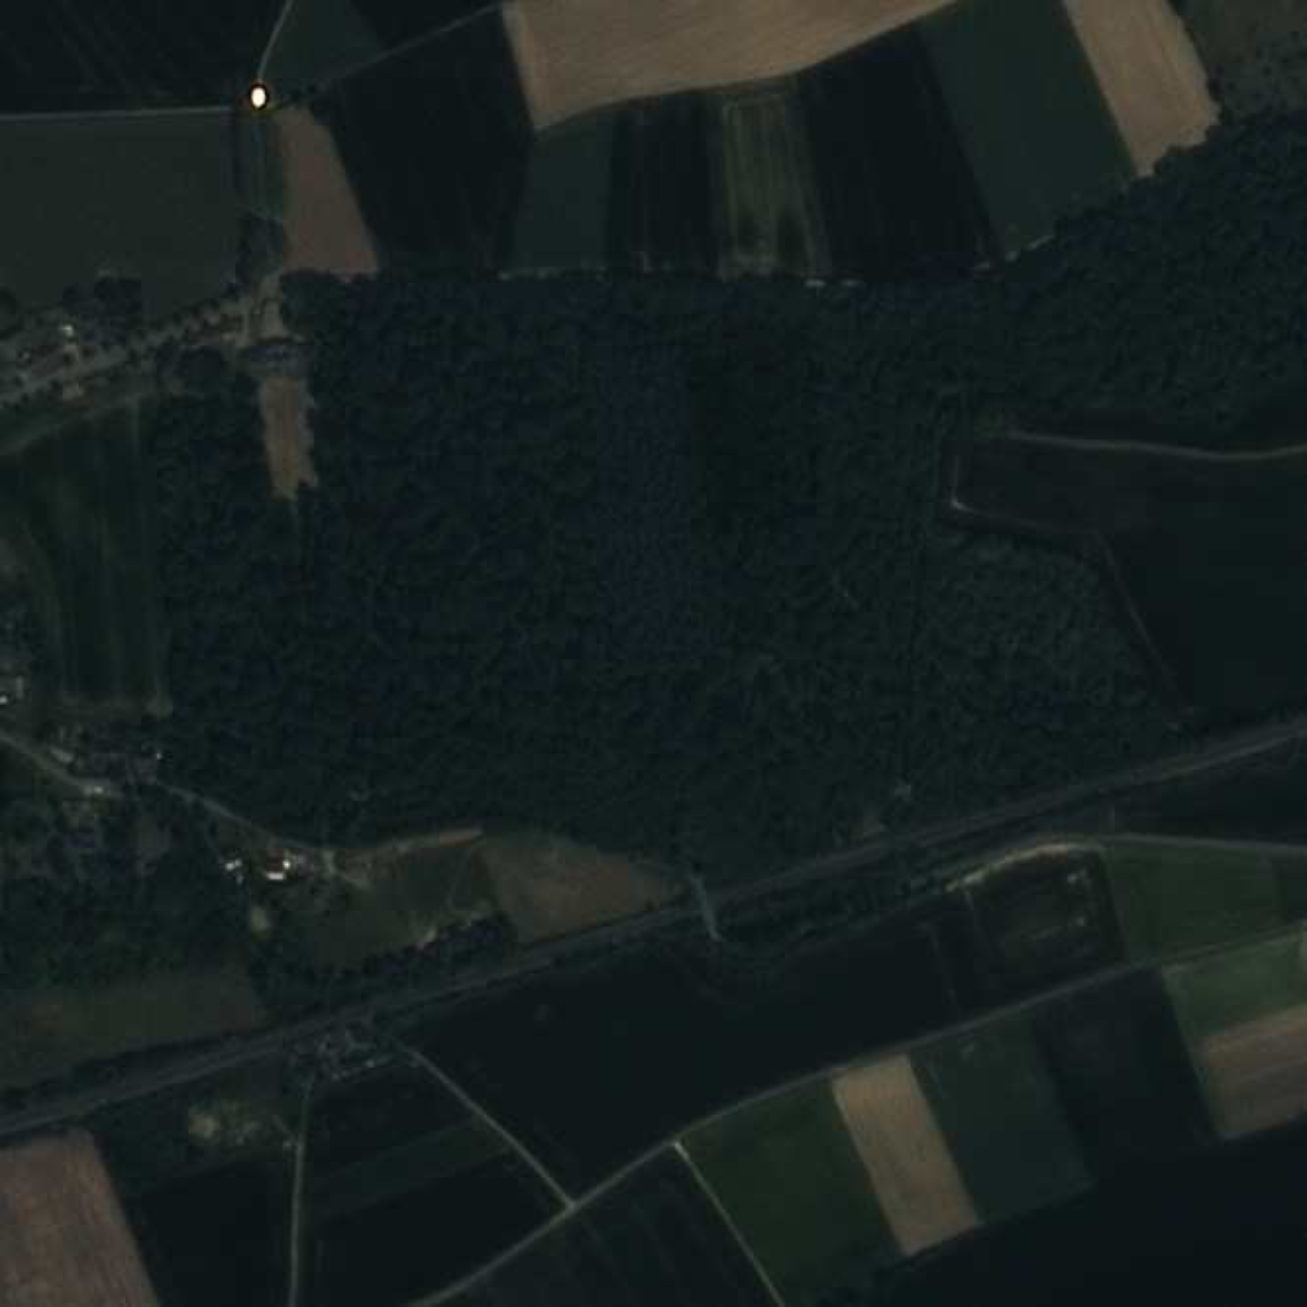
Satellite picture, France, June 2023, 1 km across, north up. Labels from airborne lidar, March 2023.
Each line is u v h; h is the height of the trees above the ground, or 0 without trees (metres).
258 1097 0
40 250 0
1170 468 0
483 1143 0
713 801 17
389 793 15
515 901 0
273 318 0
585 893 0
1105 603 13
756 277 13
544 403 34
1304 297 21
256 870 7
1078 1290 0
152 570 0
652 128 0
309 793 15
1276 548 0
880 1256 0
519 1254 0
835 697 15
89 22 0
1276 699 0
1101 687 19
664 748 27
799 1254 0
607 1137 0
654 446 30
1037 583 16
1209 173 25
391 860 0
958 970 0
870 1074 0
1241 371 21
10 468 0
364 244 0
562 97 0
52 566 0
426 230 0
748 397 7
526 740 17
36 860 6
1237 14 0
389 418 30
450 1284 0
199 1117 0
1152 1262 0
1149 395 22
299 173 0
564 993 0
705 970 0
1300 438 0
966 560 9
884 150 0
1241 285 25
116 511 0
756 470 9
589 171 0
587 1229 0
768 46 0
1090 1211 0
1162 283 26
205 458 30
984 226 0
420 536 23
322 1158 0
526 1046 0
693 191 0
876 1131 0
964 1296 0
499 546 30
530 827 10
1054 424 0
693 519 30
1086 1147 0
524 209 0
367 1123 0
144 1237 0
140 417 0
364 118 0
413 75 0
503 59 0
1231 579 0
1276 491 0
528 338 32
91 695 0
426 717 30
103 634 0
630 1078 0
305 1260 0
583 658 31
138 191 0
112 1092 0
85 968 14
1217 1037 0
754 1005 0
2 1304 0
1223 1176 0
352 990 9
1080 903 0
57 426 0
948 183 0
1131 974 0
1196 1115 0
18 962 19
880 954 0
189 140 0
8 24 0
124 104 0
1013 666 17
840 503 28
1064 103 0
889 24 0
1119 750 21
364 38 0
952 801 9
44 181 0
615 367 32
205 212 0
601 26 0
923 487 14
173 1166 0
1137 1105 0
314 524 15
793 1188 0
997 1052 0
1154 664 0
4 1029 0
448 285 20
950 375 24
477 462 34
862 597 27
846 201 0
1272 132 23
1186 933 0
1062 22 0
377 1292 0
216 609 17
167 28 0
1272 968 0
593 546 30
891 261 0
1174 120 0
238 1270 0
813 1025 0
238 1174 0
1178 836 0
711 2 0
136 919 18
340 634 33
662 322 27
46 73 0
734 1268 0
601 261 0
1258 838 0
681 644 35
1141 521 0
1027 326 23
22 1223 0
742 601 12
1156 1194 0
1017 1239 0
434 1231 0
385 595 26
